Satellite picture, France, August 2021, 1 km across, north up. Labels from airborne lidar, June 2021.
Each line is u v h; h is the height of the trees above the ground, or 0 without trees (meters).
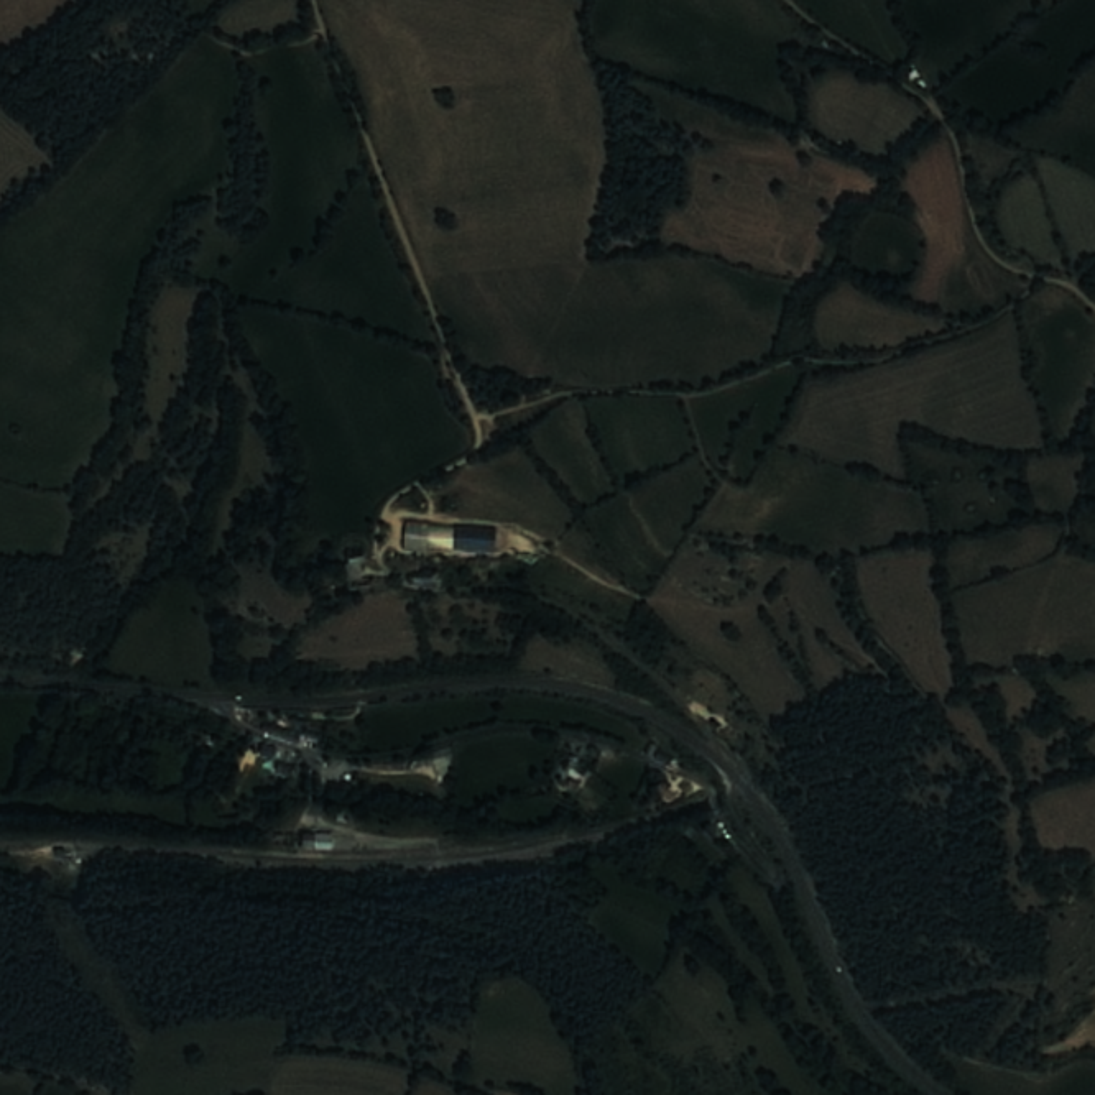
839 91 0
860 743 13
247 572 0
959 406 0
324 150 0
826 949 0
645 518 0
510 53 0
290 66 0
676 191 14
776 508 0
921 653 0
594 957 14
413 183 0
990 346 0
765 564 0
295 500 20
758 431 0
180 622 0
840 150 11
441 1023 14
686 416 6
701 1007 0
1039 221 0
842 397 0
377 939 16
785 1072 0
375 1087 0
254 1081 0
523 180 0
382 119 0
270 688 20
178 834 10
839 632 0
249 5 0
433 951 12
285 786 15
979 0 0
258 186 13
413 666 15
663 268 0
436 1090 0
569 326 0
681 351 0
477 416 0
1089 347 0
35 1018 12
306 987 17
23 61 14
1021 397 0
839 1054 24
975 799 15
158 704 14
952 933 14
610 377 0
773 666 0
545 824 11
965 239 0
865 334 0
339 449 0
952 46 0
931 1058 16
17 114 12
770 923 0
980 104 0
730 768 0
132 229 0
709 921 15
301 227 0
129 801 18
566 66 0
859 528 0
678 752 7
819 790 12
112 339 0
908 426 10
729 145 0
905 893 12
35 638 9
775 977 16
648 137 8
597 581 0
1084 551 7
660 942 0
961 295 0
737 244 0
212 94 0
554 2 0
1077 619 0
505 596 14
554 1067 0
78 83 13
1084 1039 0
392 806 17
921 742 11
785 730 15
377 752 6
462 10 0
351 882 12
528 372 0
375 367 0
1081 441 11
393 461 0
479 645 14
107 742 7
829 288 13
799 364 11
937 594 9
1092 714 0
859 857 12
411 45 0
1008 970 9
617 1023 18
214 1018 14
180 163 0
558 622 12
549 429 0
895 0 11
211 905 13
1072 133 0
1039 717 14
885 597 0
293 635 9
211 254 0
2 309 0
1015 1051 12
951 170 0
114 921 18
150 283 12
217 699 0
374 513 0
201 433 13
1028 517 12
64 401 0
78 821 8
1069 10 0
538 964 15
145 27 10
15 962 17
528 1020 0
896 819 13
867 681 12
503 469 0
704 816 10
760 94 0
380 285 0
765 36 0
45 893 18
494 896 16
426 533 0
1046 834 0
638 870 16
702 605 0
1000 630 0
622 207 15
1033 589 0
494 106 0
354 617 0
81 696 10
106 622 10
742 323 0
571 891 6
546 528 0
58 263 0
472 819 15
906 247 0
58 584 12
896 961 12
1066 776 12
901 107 0
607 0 0
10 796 9
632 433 0
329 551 14
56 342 0
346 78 11
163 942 19
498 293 0
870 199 11
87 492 13
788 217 0
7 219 13
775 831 0
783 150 0
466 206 0
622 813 0
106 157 0
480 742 0
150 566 17
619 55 0
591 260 9
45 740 18
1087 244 0
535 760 0
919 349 8
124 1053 13
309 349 0
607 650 6
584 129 0
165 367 0
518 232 0
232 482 14
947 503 0
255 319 0
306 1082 0
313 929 17
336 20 0
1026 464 12
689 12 0
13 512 0
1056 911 7
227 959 18
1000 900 10
